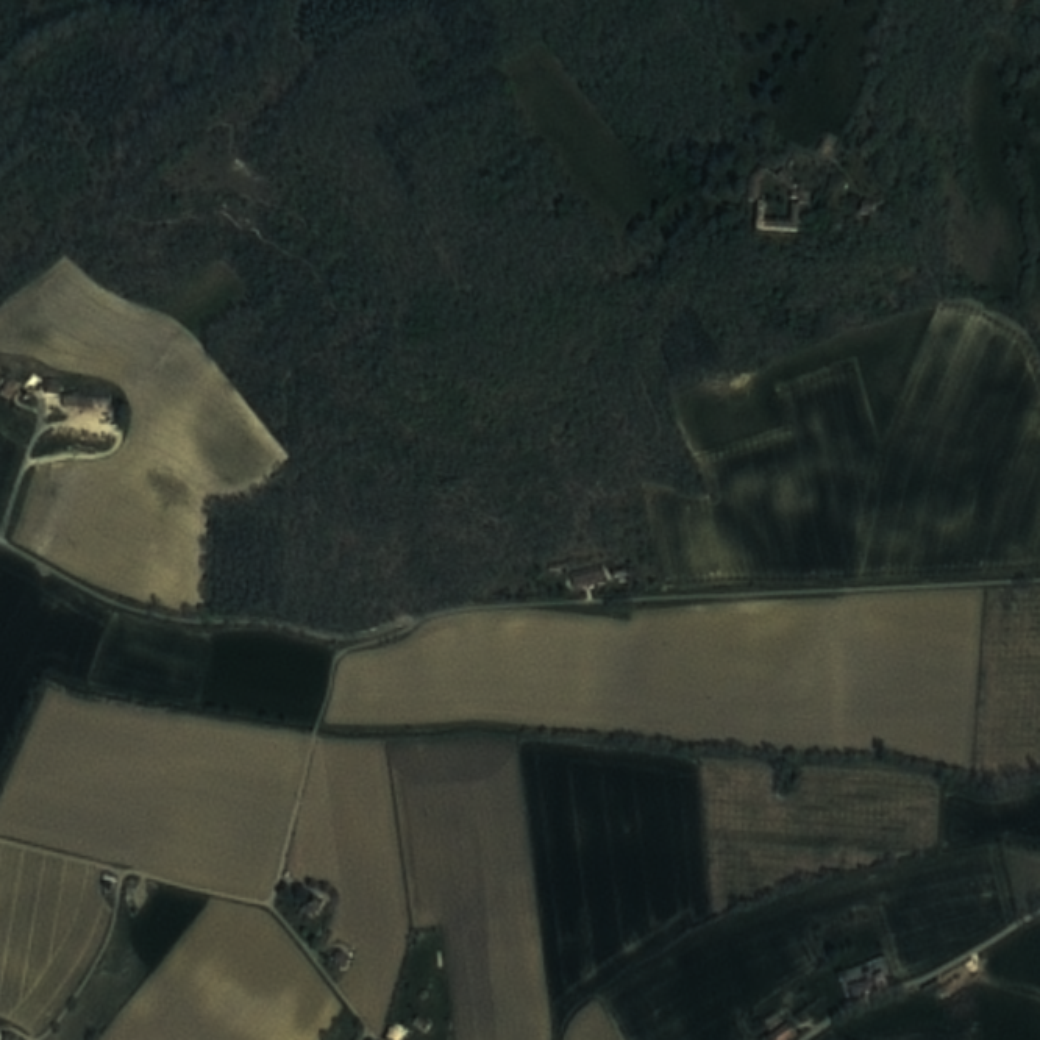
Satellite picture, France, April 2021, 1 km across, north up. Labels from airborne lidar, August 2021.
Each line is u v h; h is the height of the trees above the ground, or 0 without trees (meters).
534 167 21
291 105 9
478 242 17
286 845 0
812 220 14
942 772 14
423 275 13
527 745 0
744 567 0
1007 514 0
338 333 7
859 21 0
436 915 0
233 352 14
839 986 0
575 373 14
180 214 7
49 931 0
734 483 0
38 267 14
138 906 0
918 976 0
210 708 10
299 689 0
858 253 15
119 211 11
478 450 13
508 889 0
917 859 7
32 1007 0
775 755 15
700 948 0
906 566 0
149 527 0
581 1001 0
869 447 0
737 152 23
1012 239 0
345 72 16
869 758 10
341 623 20
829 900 0
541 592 12
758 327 17
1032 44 21
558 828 0
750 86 0
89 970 0
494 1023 0
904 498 0
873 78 15
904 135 18
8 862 0
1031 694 0
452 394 10
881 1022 0
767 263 23
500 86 17
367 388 9
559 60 11
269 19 18
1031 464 0
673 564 0
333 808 0
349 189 6
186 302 0
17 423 0
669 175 16
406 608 17
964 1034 0
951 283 12
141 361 0
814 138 0
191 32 18
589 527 16
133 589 0
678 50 19
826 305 17
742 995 0
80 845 0
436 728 0
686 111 19
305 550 14
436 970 0
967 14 23
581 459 15
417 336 10
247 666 0
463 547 15
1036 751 0
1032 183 13
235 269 10
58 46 6
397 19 15
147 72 12
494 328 18
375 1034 0
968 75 23
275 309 12
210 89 12
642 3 15
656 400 16
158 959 0
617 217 0
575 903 0
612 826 0
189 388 0
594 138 0
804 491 0
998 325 0
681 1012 0
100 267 12
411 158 15
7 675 0
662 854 0
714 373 12
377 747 0
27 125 10
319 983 0
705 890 0
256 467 0
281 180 6
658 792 0
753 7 0
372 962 0
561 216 11
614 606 14
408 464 12
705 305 18
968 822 0
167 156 8
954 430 0
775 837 0
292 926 0
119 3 16
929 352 0
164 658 0
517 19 15
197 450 0
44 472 0
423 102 16
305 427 12
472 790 0
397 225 13
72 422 0
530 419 10
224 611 6
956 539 0
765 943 0
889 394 0
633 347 16
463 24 20
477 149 15
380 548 8
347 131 12
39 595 0
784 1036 0
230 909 0
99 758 0
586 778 0
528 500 8
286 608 15
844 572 0
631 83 20
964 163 7
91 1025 0
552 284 21
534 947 0
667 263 12
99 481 0
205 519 10
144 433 0
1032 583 15
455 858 0
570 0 17
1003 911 0
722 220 16
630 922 0
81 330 0
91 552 0
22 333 0
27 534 0
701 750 12
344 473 12
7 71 15
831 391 0
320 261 12
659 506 0
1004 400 0
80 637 0
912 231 15
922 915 0
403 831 0
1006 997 0
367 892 0
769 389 0
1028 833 0
